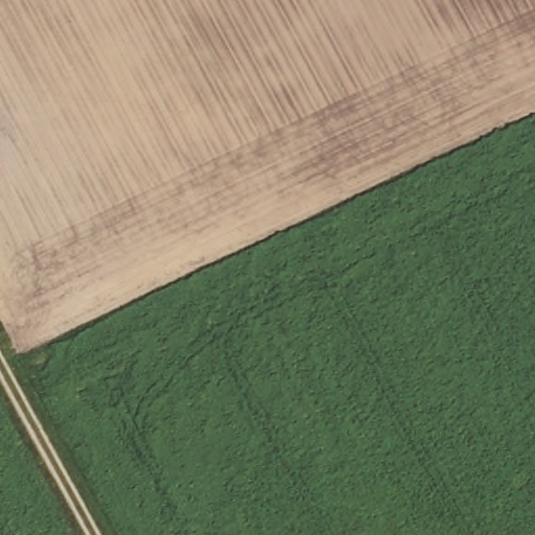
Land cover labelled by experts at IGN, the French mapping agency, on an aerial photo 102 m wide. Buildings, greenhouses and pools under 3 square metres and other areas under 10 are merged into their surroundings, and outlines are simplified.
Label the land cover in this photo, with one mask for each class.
<instances>
[{"label":"agricultural land","instance_id":"1","mask_svg":"<svg viewBox=\"0 0 535 535\"><path fill-rule=\"evenodd\" d=\"M102 535H535V113L493 127L491 132L466 144L453 146L437 157H431L424 163H418L372 188H366L311 217L276 230L261 240H255L230 255L205 263L56 339H50L29 351L19 353L8 362ZM0 535H84L69 506L65 504L54 479L44 466L36 445L31 443L25 426L21 424L15 408L10 405L4 389L0 387Z\"/></svg>","mask_w":535,"mask_h":535},{"label":"plowed land","instance_id":"2","mask_svg":"<svg viewBox=\"0 0 535 535\"><path fill-rule=\"evenodd\" d=\"M535 113V0H0V322L13 343V349L19 353L29 351L50 339H56L205 263L230 255L255 240H261L276 230L311 217L366 188H372L418 163H424L431 157H437L453 146L466 144L491 132L493 127Z\"/></svg>","mask_w":535,"mask_h":535},{"label":"pervious surface","instance_id":"3","mask_svg":"<svg viewBox=\"0 0 535 535\"><path fill-rule=\"evenodd\" d=\"M0 387L4 389L10 405L15 408L21 424L25 426L31 443L36 445L44 466L54 479L65 504L69 506L84 535H102L8 362L0 349Z\"/></svg>","mask_w":535,"mask_h":535},{"label":"herbaceous vegetation","instance_id":"4","mask_svg":"<svg viewBox=\"0 0 535 535\"><path fill-rule=\"evenodd\" d=\"M0 349L8 362L19 353L13 349V343L0 322Z\"/></svg>","mask_w":535,"mask_h":535}]
</instances>
